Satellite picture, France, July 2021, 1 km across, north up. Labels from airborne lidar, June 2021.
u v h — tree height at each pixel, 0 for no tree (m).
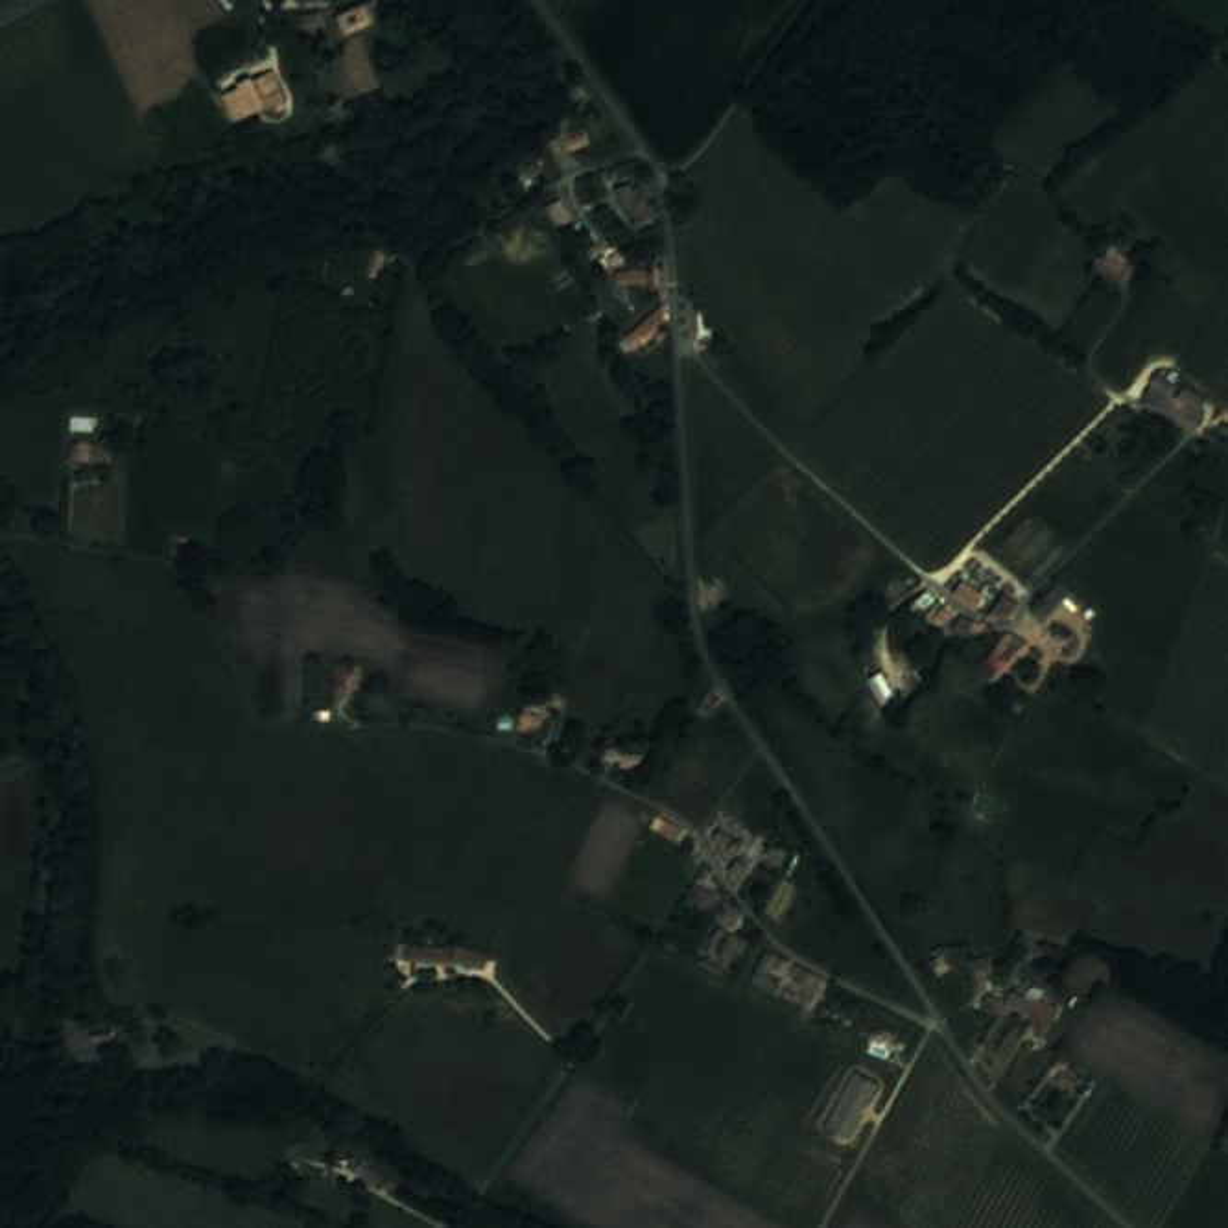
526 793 0
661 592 0
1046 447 0
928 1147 0
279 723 0
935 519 0
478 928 0
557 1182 0
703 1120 0
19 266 22
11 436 0
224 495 0
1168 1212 0
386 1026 0
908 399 0
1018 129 0
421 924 0
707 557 0
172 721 0
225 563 10
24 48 0
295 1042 0
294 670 0
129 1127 12
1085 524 0
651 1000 0
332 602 0
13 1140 22
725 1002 0
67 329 26
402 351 0
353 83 0
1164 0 15
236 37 7
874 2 17
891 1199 0
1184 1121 0
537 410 15
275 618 0
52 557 0
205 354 13
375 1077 0
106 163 0
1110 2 20
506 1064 0
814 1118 0
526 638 6
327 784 0
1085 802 0
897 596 0
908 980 0
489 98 21
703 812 0
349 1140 10
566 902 0
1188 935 0
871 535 0
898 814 0
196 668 0
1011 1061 0
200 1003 0
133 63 0
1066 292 0
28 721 25
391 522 0
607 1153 0
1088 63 20
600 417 0
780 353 0
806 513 0
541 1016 0
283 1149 0
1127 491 0
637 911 0
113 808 0
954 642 6
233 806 0
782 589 0
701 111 0
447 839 0
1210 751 0
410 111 17
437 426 0
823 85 15
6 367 20
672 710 8
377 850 0
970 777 0
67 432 0
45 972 12
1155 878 0
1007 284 0
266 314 0
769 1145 0
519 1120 0
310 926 0
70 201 0
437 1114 0
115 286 24
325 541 0
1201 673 0
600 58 0
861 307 0
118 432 12
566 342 14
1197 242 0
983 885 0
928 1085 0
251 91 0
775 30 0
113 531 0
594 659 0
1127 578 0
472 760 0
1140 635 0
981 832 0
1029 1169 0
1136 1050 0
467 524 0
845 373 0
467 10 35
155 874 0
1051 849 0
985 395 0
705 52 0
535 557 0
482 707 0
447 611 11
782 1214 0
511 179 18
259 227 25
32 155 0
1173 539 0
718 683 0
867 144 21
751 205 0
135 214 0
